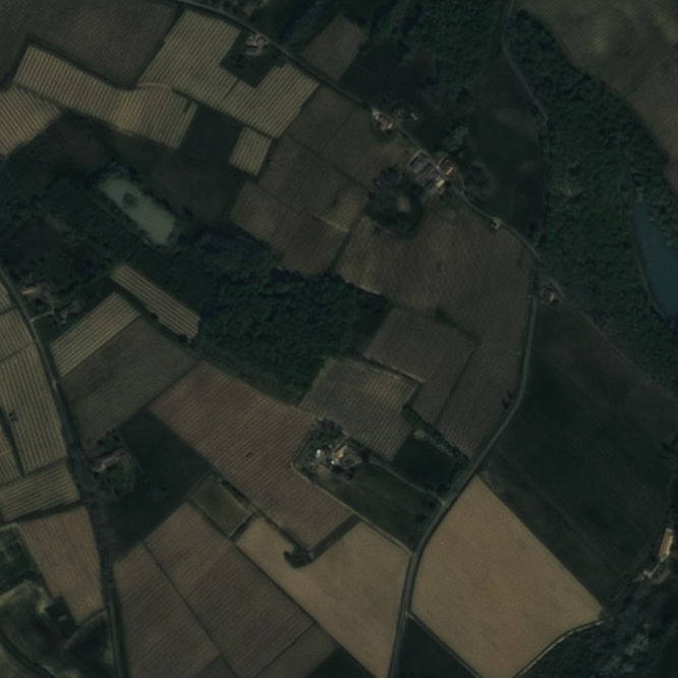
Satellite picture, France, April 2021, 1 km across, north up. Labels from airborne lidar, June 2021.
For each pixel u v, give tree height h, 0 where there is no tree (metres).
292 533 0
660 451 0
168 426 0
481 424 0
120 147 0
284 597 0
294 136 0
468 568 0
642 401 0
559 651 6
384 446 0
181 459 0
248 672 0
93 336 0
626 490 0
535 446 0
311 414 0
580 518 0
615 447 0
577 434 0
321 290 15
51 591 0
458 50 20
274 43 0
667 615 0
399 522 0
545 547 0
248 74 0
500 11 12
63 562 0
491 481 0
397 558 0
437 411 0
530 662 0
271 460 0
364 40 0
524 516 0
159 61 0
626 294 20
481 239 0
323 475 0
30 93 0
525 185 0
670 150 0
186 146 0
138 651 0
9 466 0
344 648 0
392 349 0
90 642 0
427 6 22
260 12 0
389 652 0
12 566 0
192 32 0
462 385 0
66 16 0
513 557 0
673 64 0
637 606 23
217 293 8
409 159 0
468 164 0
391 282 0
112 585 13
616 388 0
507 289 0
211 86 0
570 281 22
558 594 0
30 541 0
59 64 0
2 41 0
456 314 0
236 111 0
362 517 0
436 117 0
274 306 25
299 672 0
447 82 23
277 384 15
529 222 0
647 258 0
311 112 0
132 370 0
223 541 0
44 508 0
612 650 15
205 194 0
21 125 0
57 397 0
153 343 0
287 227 0
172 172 0
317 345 22
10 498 0
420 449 0
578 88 18
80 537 0
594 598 0
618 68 0
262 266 26
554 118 17
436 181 0
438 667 0
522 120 0
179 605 0
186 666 0
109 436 9
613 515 0
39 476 0
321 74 0
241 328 22
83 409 0
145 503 0
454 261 0
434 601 0
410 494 0
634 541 0
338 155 0
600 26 0
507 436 0
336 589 0
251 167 0
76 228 11
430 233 0
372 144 0
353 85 0
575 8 0
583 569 0
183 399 0
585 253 24
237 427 0
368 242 0
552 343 0
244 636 0
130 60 0
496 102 0
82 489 6
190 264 8
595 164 20
